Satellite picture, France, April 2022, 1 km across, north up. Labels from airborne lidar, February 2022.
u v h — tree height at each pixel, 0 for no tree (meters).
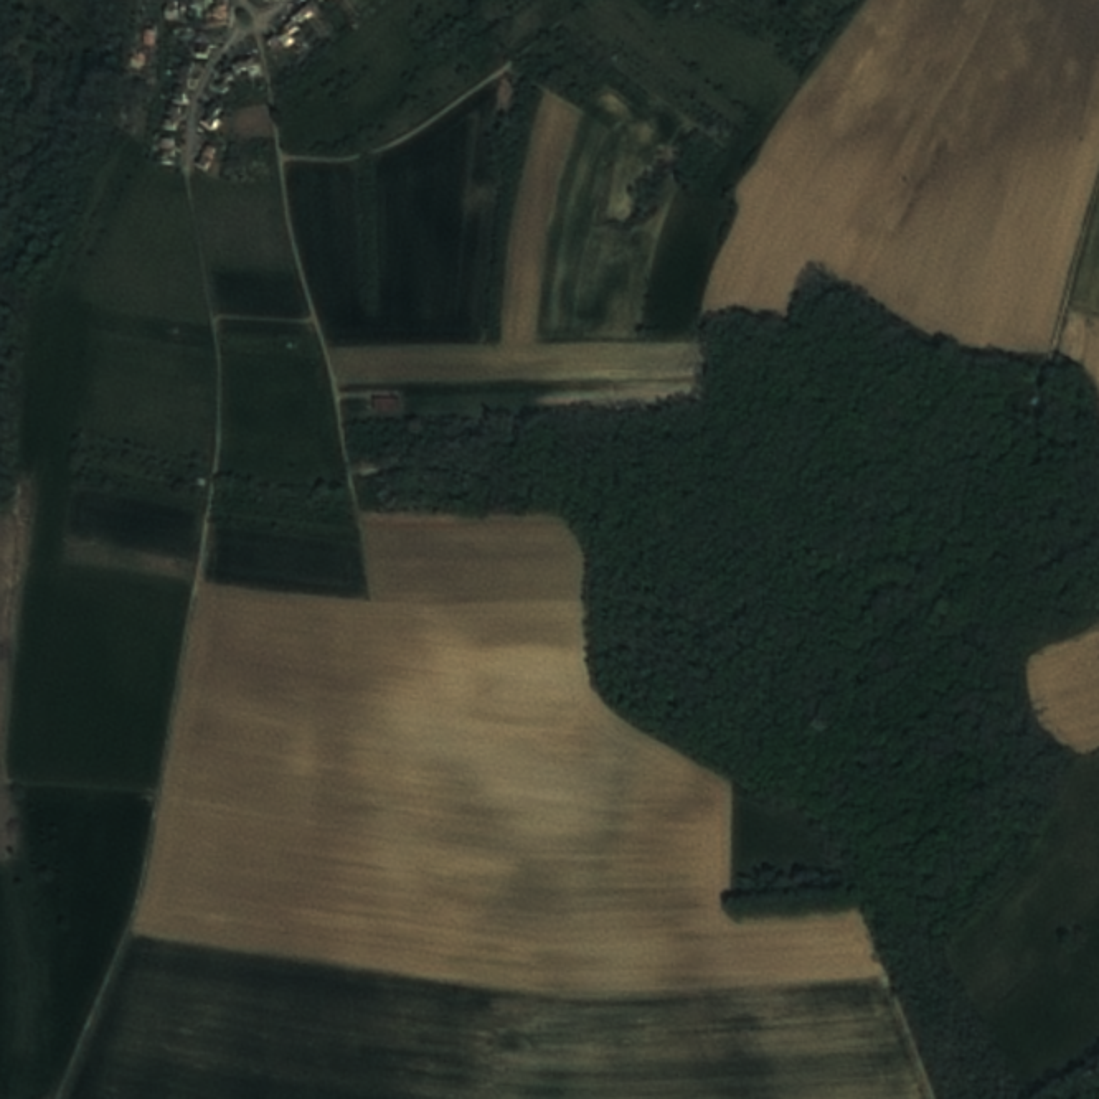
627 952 0
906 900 22
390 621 0
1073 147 0
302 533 0
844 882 12
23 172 18
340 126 0
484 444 19
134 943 0
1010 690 20
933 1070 12
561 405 0
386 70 0
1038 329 0
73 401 0
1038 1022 0
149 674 0
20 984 0
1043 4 0
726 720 20
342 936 0
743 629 25
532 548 0
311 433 0
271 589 0
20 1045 0
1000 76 0
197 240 0
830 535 20
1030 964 0
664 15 5
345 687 0
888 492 20
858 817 23
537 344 0
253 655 0
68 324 0
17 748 0
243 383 0
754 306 0
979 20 0
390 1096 0
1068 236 0
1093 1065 18
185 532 0
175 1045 0
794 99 0
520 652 0
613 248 0
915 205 0
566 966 0
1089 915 0
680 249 0
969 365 20
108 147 13
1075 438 21
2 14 7
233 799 0
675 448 22
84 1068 0
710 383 20
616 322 0
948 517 20
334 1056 0
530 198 0
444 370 0
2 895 0
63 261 7
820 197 0
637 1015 0
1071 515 27
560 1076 0
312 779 0
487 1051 0
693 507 23
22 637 0
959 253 0
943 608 25
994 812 25
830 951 0
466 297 0
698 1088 0
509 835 0
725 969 0
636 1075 0
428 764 0
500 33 11
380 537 0
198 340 0
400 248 0
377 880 0
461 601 0
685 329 0
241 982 0
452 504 15
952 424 22
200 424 0
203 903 0
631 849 0
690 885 0
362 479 6
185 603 0
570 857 0
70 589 0
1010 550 20
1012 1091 12
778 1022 0
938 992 11
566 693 0
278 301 0
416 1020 0
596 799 0
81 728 0
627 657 20
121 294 0
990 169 0
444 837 0
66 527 0
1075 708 0
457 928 0
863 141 0
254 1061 0
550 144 0
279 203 0
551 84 11
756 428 20
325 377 0
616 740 0
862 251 0
